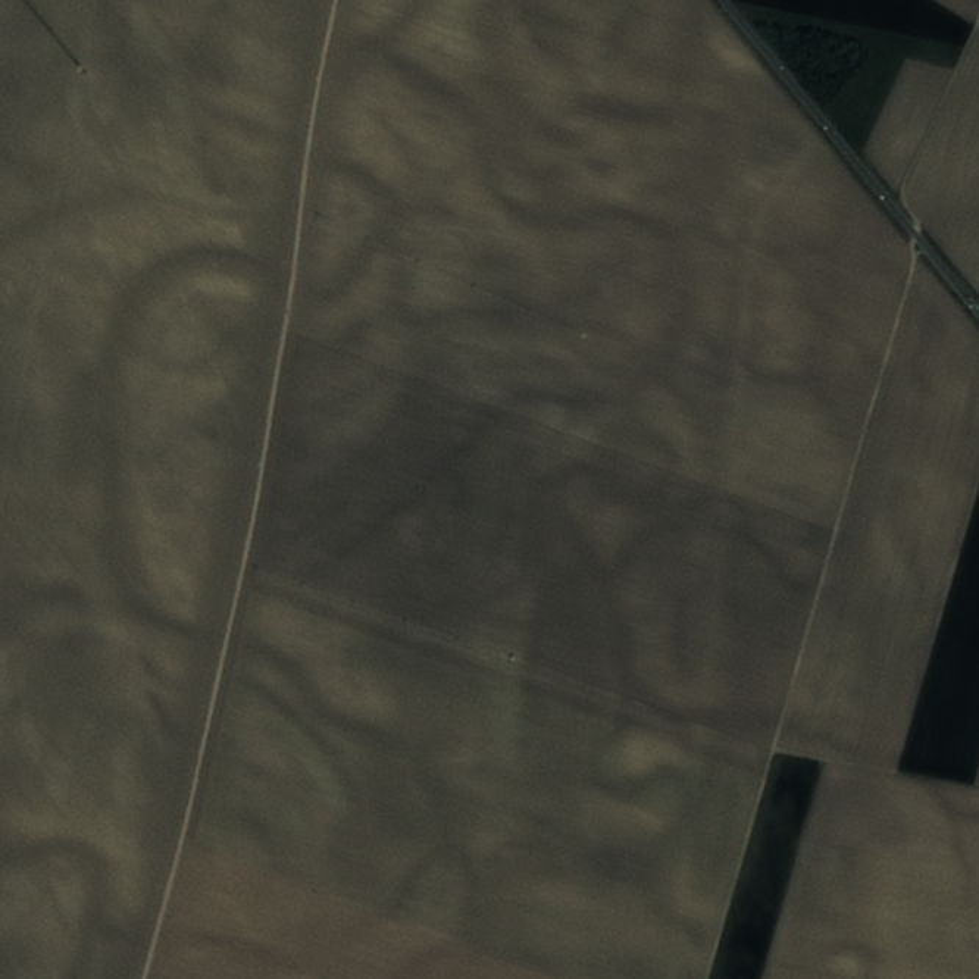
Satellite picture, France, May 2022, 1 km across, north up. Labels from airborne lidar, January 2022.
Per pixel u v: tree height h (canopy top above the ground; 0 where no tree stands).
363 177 0
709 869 0
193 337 0
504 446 0
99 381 0
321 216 0
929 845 0
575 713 0
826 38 16
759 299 0
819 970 0
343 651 0
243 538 0
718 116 0
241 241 0
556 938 0
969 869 0
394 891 0
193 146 0
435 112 0
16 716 0
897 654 0
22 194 0
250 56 0
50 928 0
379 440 0
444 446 0
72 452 0
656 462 0
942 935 0
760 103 0
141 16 0
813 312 0
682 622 0
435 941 0
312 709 0
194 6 0
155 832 0
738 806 0
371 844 0
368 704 0
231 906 0
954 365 0
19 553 0
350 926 0
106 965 0
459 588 0
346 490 0
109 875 0
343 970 0
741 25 0
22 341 0
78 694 0
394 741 0
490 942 0
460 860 0
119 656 0
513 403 0
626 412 0
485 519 0
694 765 0
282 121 0
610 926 0
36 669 0
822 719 0
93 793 0
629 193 0
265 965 0
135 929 0
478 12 0
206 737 0
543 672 0
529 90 0
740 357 0
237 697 0
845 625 0
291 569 0
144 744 0
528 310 0
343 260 0
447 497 0
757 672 0
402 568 0
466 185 0
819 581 0
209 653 0
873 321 0
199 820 0
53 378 0
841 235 0
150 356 0
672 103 0
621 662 0
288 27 0
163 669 0
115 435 0
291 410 0
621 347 0
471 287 0
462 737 0
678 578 0
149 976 0
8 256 0
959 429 0
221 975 0
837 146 0
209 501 0
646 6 0
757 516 0
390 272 0
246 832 0
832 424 0
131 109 0
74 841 0
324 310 0
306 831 0
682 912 0
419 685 0
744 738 0
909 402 0
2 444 0
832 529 0
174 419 0
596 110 0
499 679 0
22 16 0
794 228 0
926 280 0
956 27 0
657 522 0
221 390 0
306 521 0
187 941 0
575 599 0
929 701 0
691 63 0
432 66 0
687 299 0
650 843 0
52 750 0
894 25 0
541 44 0
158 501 0
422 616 0
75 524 0
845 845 0
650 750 0
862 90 0
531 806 0
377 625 0
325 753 0
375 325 0
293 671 0
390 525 0
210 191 0
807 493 0
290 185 0
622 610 0
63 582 0
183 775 0
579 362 0
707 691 0
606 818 0
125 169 0
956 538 0
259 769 0
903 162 0
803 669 0
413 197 0
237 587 0
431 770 0
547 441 0
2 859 0
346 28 0
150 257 0
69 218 0
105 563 0
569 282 0
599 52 0
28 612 0
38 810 0
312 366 0
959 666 0
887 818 0
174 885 0
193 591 0
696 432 0
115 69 0
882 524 0
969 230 0
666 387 0
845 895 0
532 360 0
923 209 0
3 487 0
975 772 0
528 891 0
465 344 0
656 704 0
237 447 0
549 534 0
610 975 0
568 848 0
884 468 0
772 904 0
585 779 0
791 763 0
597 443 0
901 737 0
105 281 0
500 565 0
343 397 0
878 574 0
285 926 0
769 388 0
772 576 0
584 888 0
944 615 0
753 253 0
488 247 0
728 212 0
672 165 0
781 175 0
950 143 0
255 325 0
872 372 0
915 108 0
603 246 0
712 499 0
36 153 0
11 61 0
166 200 0
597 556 0
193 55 0
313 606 0
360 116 0
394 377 0
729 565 0
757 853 0
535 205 0
